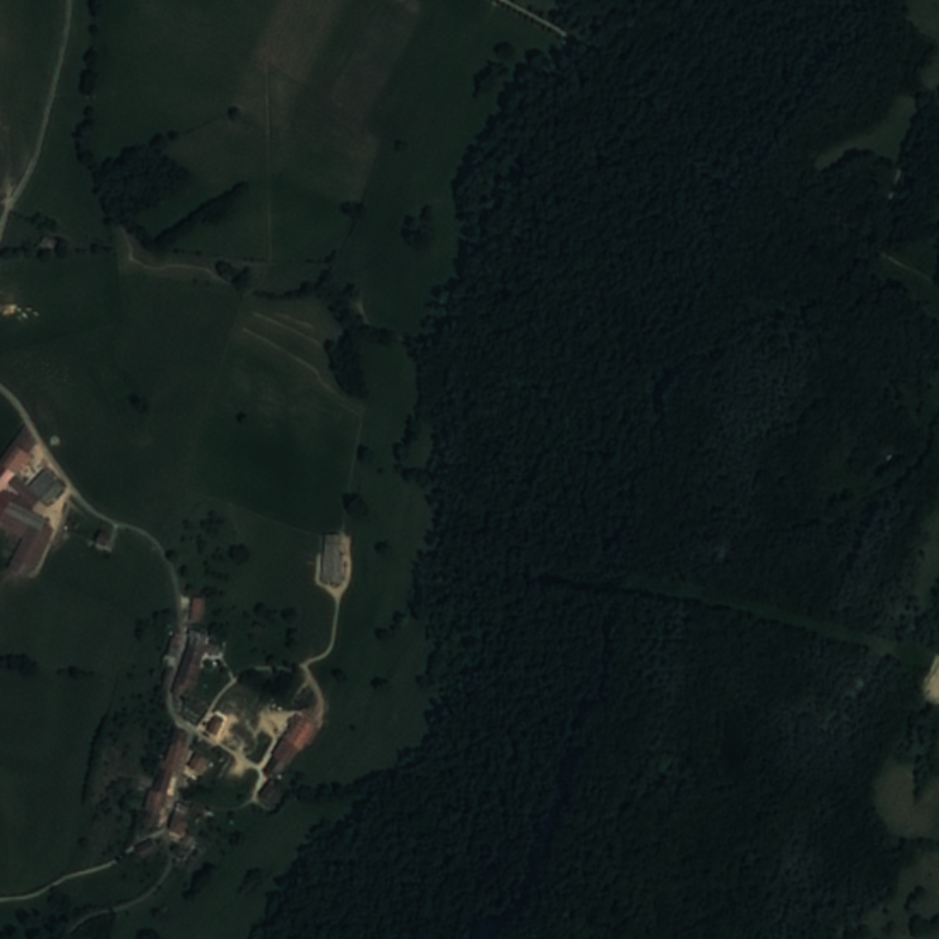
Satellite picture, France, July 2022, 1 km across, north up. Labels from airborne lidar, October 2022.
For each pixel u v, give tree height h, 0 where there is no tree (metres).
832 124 15
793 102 19
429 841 21
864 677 12
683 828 16
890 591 15
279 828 0
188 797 7
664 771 20
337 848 26
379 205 0
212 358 0
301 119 0
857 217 19
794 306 24
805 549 26
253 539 0
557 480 23
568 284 27
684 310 13
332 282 17
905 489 19
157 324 0
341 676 14
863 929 8
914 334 13
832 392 20
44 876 0
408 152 14
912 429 17
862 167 25
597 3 27
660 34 21
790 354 15
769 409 18
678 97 25
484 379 16
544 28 8
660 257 26
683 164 28
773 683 14
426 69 0
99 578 0
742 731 11
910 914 10
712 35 25
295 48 0
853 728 14
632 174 26
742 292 18
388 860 21
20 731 0
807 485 21
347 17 0
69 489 0
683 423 18
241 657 0
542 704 20
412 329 0
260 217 0
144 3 0
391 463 0
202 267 0
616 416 24
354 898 23
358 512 21
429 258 0
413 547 0
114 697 0
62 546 0
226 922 0
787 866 10
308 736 0
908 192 24
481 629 17
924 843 10
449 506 21
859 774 13
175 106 0
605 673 18
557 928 19
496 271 28
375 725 0
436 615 16
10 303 0
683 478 26
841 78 11
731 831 16
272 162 0
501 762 29
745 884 19
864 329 19
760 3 28
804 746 18
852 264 22
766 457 20
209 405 0
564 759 20
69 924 17
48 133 0
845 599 15
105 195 10
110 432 0
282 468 0
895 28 23
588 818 21
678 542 22
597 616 20
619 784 22
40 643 0
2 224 0
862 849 17
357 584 0
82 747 0
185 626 0
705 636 10
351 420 0
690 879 16
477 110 0
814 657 10
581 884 21
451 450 25
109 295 0
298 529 0
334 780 0
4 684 0
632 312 29
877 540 21
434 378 14
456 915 23
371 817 26
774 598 24
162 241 15
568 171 26
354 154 0
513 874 24
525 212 22
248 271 8
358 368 13
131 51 0
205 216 13
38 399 0
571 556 21
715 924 24
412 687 0
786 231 23
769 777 22
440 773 13
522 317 23
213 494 0
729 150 25
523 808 27
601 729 20
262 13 0
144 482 0
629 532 12
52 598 0
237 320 0
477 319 26
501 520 21
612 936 22
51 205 0
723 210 15
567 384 22
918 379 18
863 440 10
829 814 20
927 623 21
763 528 16
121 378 0
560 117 26
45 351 0
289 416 0
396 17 0
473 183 26
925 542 7
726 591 16
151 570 0
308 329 0
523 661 24
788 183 19
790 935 16
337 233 0
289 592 0
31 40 0
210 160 0
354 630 0
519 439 23
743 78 23
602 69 29
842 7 26
